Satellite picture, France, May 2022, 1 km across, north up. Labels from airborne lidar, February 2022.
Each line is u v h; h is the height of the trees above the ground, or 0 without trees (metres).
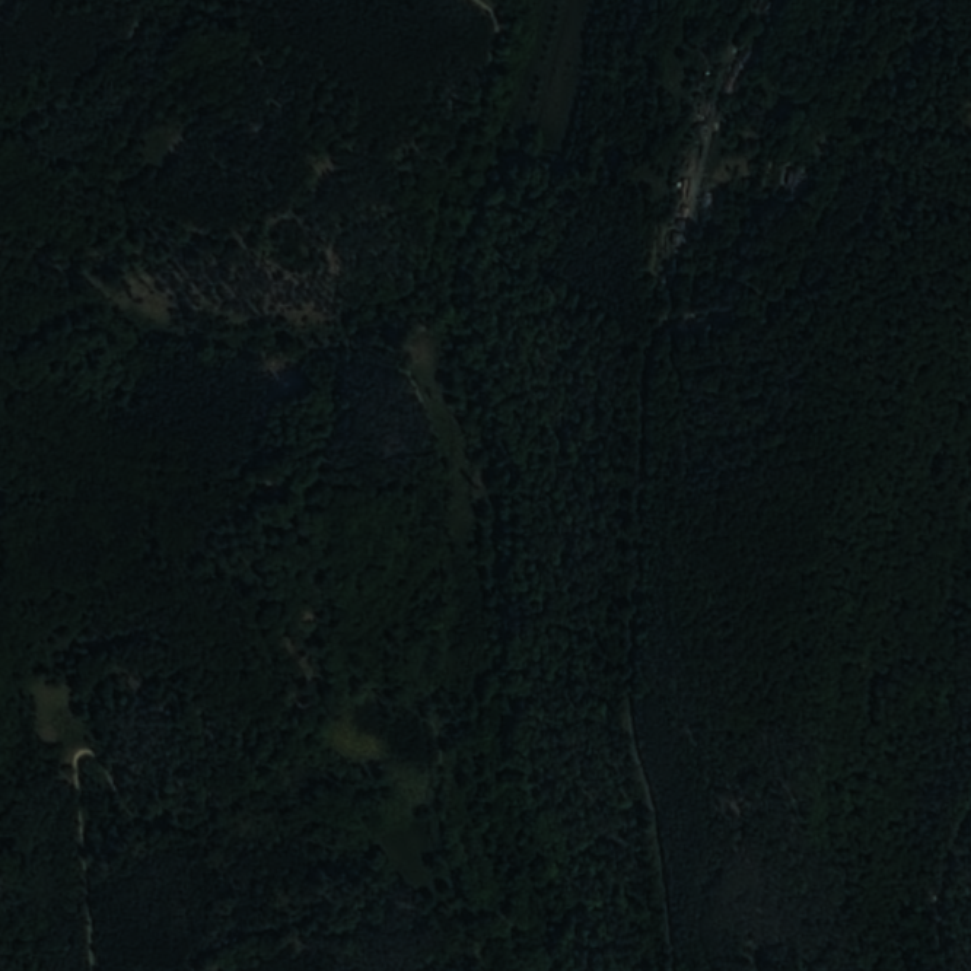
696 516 26
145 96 12
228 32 33
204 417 25
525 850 18
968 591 28
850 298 26
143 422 22
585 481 26
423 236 12
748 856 15
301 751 23
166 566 22
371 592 32
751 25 18
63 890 12
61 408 23
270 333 10
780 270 13
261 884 12
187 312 38
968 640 31
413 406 18
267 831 15
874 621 31
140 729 24
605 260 17
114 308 8
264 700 25
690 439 28
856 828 27
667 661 22
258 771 30
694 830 17
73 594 27
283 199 15
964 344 35
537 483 34
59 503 22
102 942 10
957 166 29
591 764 23
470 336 21
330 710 29
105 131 14
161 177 18
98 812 7
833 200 23
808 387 25
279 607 32
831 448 26
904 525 35
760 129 19
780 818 23
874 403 26
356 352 16
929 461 32
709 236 21
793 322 23
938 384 32
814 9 19
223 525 30
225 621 27
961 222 27
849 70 32
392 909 27
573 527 30
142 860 10
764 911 12
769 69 24
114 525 23
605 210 16
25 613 28
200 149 18
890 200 18
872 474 30
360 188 17
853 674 31
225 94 20
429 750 9
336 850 11
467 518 0
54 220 31
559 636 32
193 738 26
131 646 23
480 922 29
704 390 23
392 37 16
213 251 26
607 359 30
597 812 29
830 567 33
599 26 14
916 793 33
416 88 12
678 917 17
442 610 25
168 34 24
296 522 34
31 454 26
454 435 0
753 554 25
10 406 29
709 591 25
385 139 11
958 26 31
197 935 27
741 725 18
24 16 15
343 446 24
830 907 25
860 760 28
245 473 30
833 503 29
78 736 0
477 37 8
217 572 31
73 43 14
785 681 25
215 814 30
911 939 26
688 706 21
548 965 26
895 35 15
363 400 29
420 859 0
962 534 29
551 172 32
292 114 20
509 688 33
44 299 29
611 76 14
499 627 19
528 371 29
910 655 28
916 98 29
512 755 34
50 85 14
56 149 12
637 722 14
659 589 19
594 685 26
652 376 28
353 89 13
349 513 36
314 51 16
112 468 25
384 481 15
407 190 16
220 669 28
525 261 30
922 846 27
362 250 14
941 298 33
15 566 26
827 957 28
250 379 22
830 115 26
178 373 24
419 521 25
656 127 12
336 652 18
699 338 30
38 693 0
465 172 33
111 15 11
